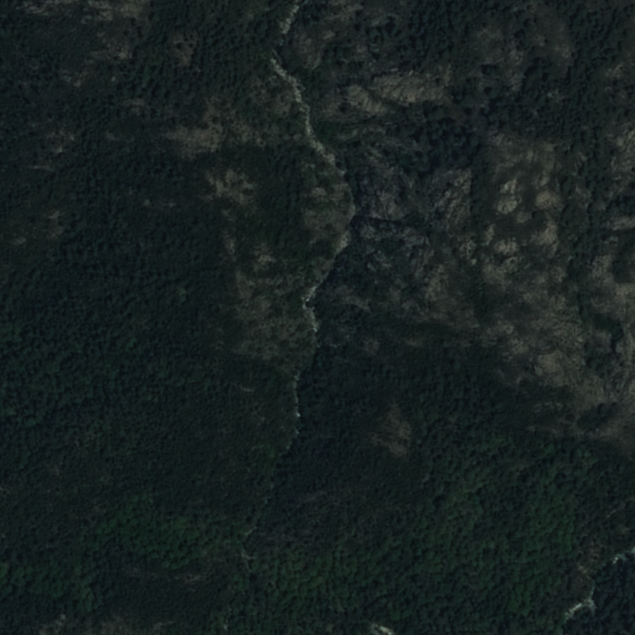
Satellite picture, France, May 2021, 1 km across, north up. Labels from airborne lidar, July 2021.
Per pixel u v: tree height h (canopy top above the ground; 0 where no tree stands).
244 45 27
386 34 16
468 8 14
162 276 22
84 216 12
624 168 0
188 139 0
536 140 6
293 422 11
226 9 22
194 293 12
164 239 13
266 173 5
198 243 15
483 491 19
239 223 8
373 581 13
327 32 0
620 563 7
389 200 0
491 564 16
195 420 6
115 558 11
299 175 6
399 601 16
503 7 11
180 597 14
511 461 15
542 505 22
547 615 27
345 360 9
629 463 12
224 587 13
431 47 20
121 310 9
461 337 11
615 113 19
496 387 13
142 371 11
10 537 17
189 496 11
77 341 17
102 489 12
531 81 15
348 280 14
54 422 22
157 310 9
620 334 8
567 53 0
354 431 11
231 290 15
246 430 14
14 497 9
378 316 7
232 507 14
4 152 7
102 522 21
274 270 11
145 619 13
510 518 18
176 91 6
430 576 11
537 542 18
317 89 11
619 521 13
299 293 11
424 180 22
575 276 18
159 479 15
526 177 0
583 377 5
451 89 7
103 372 18
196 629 12
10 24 28
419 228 9
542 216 11
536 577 17
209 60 21
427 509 18
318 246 13
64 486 10
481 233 6
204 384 11
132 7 0
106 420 24
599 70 31
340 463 13
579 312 6
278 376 15
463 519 21
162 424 10
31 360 20
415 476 10
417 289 11
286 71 22
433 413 28
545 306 0
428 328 8
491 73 22
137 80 22
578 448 19
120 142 6
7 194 6
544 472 10
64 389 18
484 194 23
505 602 20
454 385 19
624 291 0
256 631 20
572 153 18
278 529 18
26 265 11
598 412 13
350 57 18
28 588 17
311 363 8
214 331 7
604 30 17
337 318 10
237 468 9
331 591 19
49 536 12
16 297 7
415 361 9
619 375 7
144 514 20
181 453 8
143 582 16
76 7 6
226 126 16
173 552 15
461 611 22
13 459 13
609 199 14
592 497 17
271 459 9
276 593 14
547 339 0
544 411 8
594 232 28
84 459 12
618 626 39
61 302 25
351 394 8
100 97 7
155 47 17
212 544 17
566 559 13
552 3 17
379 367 6
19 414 17
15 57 10
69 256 33
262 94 11
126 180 7
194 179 7
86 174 24
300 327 10
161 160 6
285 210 7
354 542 9
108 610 9
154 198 8
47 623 7
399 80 0
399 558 14
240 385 18
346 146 9
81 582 19
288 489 7
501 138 0
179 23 19
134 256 6
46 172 11
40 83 29
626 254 10
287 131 7
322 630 15
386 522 12
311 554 11
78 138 16
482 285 8
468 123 7
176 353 27
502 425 16
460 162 12
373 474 8
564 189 19
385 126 11
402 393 6
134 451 15
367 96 0
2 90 6
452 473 17
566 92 13
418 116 6
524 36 16
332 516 9
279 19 28
